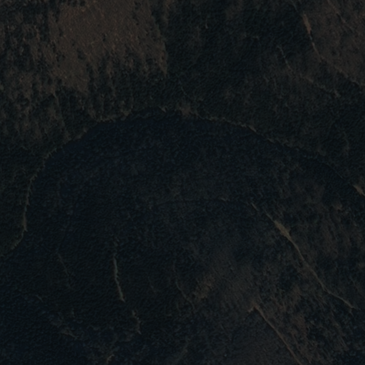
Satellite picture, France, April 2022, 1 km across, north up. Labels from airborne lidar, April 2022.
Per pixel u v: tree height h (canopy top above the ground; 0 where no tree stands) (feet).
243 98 68
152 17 68
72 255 73
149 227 63
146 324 52
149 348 48
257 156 68
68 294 73
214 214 88
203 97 74
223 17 104
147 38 90
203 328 83
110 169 89
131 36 91
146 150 94
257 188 69
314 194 41
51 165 119
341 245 53
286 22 65
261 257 62
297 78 71
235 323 66
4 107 72
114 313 99
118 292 72
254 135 68
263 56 64
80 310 75
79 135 75
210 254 62
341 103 82
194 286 47
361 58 71
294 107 87
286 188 53
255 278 61
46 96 111
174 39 81
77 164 89
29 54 66
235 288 59
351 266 55
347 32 69
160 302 81
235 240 64
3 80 90
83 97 87
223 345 81
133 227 74
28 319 93
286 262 102
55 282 44
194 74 69
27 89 82
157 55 89
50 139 106
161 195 69
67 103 100
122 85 91
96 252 50
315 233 38
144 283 65
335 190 85
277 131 79
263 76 63
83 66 80
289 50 88
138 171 86
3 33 79
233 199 76
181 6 85
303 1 67
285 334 111
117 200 73
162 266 59
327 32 67
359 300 54
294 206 56
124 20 84
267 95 77
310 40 73
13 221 106
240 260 71
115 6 79
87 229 81
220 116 75
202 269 51
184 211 75
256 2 81
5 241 73
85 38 78
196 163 87
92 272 70
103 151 82
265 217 93
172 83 101
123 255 85
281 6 76
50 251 43
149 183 72
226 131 56
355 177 83
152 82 94
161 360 38
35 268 65
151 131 77
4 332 77
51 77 85
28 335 98
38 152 47
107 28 79
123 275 65
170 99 80
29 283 79
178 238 59
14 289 111
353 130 81
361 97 78
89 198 81
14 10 87
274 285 90
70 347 57
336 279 63
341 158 96
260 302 68
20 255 39
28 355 93
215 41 83
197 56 80
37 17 73
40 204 80
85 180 93
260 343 66
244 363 76
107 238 42
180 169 87
